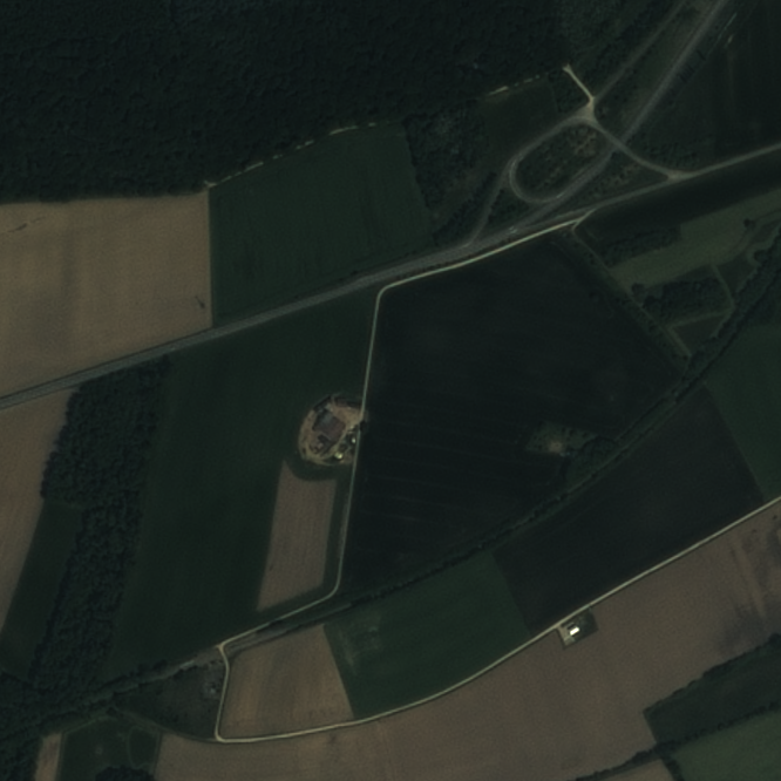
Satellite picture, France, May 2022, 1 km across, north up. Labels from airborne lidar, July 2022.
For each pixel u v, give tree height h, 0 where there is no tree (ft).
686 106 0
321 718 0
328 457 0
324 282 0
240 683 0
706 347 38
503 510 0
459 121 89
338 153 0
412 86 96
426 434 0
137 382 36
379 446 0
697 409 0
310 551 0
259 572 0
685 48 0
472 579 0
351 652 0
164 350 0
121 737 0
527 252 0
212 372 0
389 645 0
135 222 0
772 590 0
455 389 0
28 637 0
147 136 97
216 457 0
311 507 0
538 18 66
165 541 0
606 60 34
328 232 0
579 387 0
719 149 0
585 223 0
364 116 61
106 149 86
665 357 0
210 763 0
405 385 0
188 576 0
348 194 0
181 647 0
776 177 0
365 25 84
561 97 18
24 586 0
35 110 80
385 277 0
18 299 0
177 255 0
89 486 62
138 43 91
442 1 98
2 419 0
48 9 70
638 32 49
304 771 0
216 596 0
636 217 0
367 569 0
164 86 88
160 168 73
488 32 99
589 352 0
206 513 0
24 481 0
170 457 0
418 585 31
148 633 0
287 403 0
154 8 64
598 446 56
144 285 0
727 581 0
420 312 0
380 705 0
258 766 0
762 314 67
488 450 0
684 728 0
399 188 0
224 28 87
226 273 0
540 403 0
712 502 0
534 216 0
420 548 0
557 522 0
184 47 93
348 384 0
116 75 96
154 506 0
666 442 0
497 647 0
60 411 0
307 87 89
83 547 65
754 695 0
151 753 0
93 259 0
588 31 72
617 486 0
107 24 57
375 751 0
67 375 0
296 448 0
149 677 58
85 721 53
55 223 0
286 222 0
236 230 0
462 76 88
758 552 0
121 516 75
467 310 0
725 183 0
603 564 0
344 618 0
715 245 0
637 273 0
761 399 0
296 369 0
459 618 0
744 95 0
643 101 0
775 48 0
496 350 0
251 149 79
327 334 0
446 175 81
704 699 0
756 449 0
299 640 0
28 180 79
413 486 0
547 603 0
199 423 0
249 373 0
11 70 89
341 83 88
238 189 0
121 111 94
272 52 90
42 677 81
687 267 0
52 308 0
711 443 0
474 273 0
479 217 34
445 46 98
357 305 0
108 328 0
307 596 0
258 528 0
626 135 0
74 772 0
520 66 89
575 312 0
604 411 0
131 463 70
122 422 47
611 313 0
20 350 0
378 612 0
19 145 85
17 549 0
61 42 82
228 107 90
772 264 38
